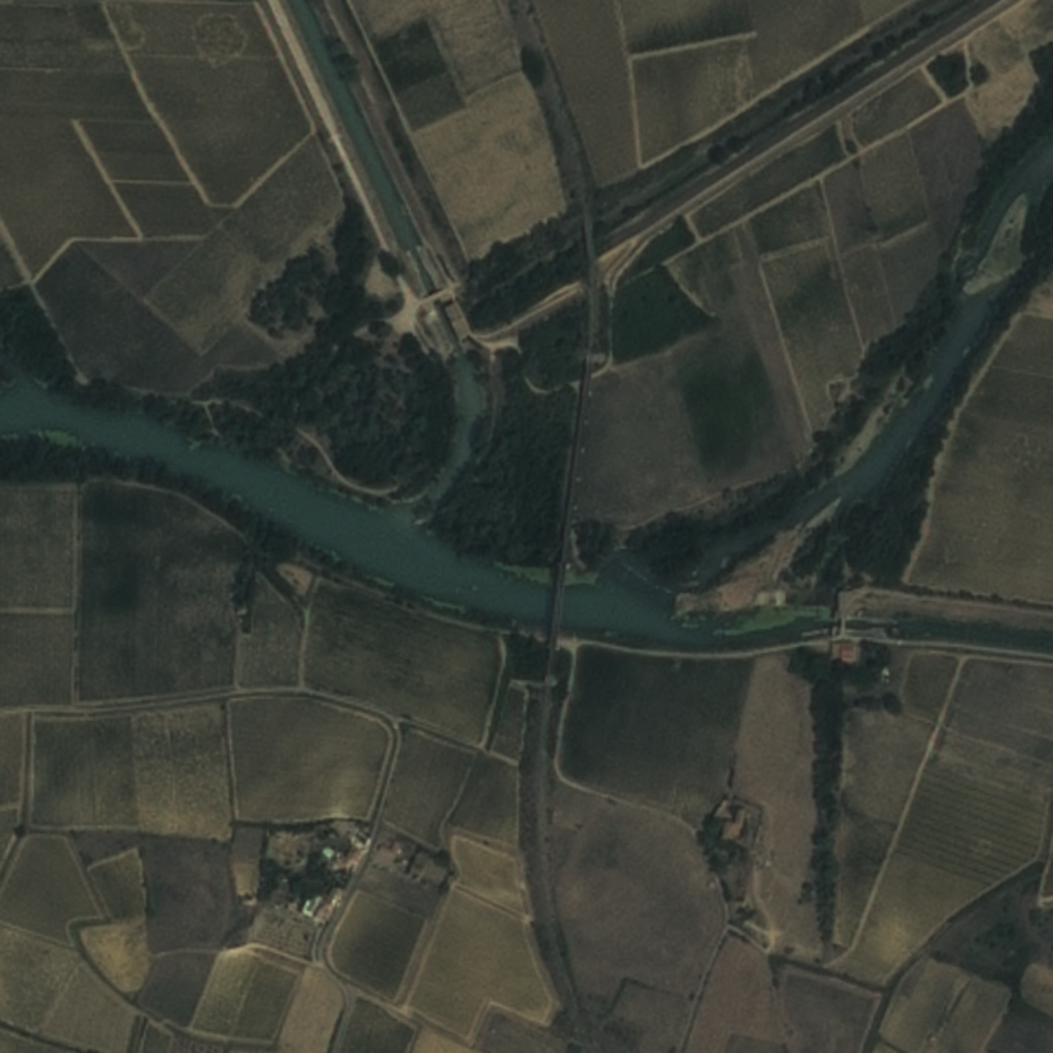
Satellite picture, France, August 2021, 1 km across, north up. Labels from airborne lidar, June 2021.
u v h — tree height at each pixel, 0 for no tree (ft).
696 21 0
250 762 0
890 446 0
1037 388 0
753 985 0
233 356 0
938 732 0
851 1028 0
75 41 0
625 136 0
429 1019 0
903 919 0
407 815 0
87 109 0
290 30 0
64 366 44
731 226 0
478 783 0
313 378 40
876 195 0
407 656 0
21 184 0
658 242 17
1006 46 0
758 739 0
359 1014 0
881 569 18
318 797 0
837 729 30
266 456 34
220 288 0
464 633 0
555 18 0
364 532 0
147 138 0
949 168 0
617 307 24
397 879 0
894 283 0
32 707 0
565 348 42
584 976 0
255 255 0
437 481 60
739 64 0
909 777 0
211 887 0
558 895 0
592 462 0
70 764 0
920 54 0
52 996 0
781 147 0
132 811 0
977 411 0
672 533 58
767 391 0
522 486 36
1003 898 0
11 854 0
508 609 0
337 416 67
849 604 0
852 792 0
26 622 0
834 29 0
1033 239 20
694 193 0
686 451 0
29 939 0
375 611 0
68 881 0
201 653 0
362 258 40
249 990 0
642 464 0
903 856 0
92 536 0
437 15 0
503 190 0
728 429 0
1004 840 0
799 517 0
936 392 0
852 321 0
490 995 0
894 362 52
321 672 0
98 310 0
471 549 33
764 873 0
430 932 0
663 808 0
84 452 37
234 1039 0
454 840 0
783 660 0
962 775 0
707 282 0
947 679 0
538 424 34
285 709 0
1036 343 0
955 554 0
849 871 0
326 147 0
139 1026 0
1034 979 0
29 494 0
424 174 0
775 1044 0
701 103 0
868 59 35
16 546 0
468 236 0
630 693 0
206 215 0
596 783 0
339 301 42
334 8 0
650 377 0
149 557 0
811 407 0
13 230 0
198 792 0
